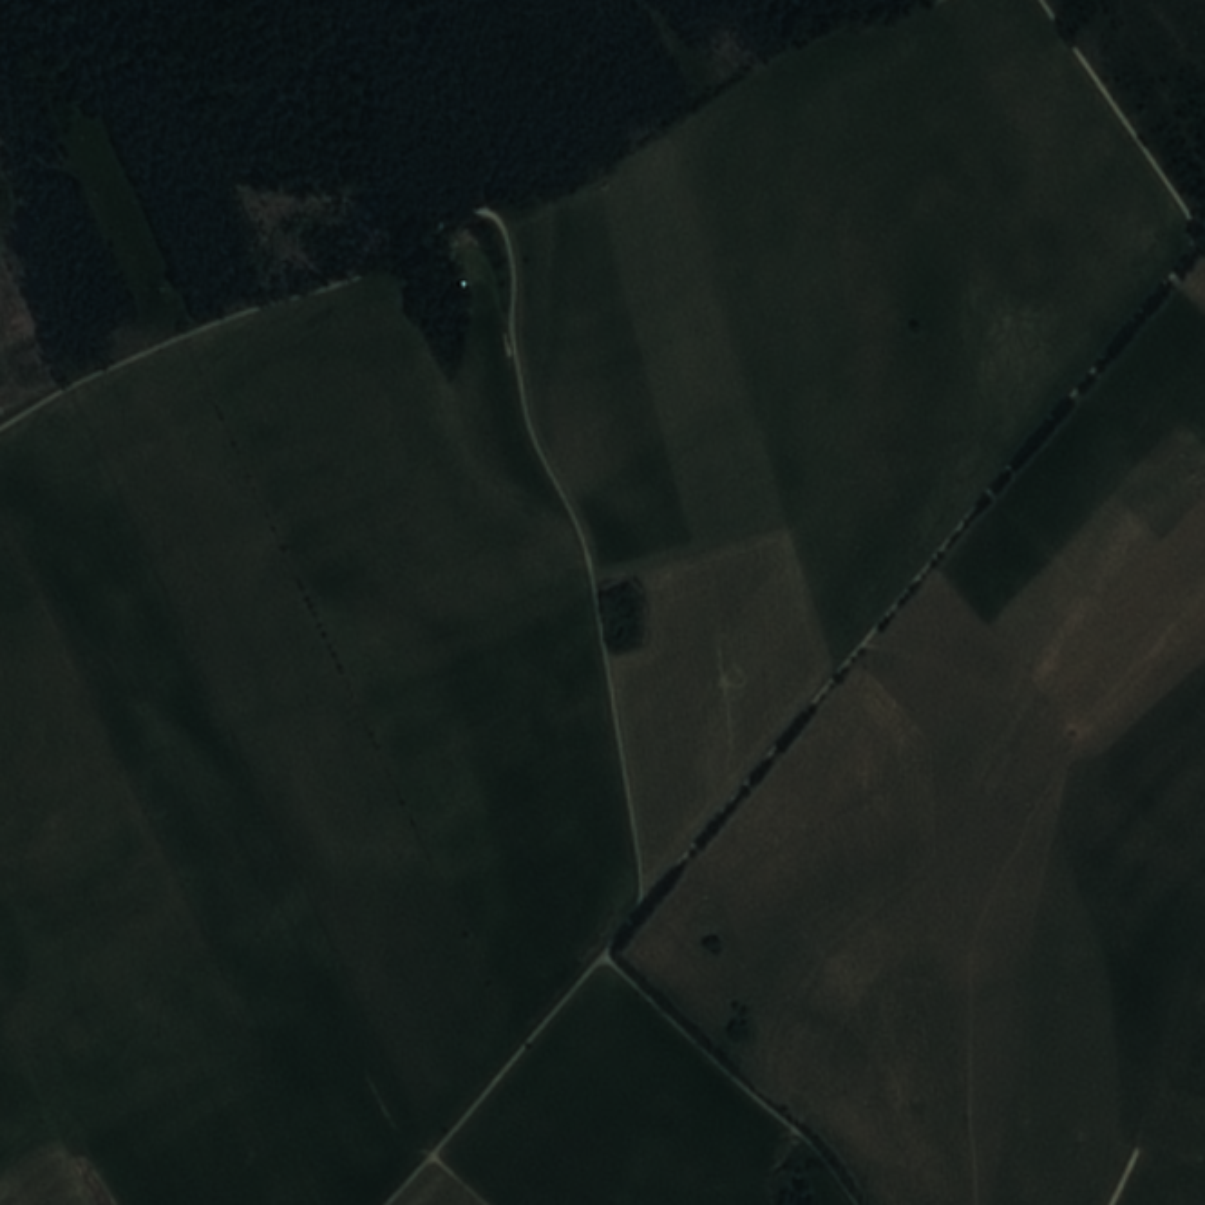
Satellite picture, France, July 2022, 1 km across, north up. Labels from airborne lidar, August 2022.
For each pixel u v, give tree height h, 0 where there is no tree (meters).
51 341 28
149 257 0
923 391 0
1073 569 0
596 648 0
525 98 22
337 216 7
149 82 27
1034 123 0
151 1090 0
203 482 0
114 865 0
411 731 0
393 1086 0
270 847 0
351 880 0
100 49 23
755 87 0
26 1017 0
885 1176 0
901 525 0
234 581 0
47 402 0
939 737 0
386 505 0
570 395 0
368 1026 0
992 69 0
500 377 0
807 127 0
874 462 0
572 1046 0
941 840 0
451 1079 0
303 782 0
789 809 0
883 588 0
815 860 0
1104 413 0
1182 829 0
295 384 0
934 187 0
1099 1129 0
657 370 0
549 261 0
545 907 0
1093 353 0
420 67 21
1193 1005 0
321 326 0
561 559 0
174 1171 0
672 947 0
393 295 0
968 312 0
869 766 0
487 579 0
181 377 0
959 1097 0
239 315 0
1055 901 0
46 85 13
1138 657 0
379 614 0
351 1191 0
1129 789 0
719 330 0
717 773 0
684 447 0
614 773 0
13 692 0
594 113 24
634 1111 0
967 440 0
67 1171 0
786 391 0
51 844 0
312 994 0
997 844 0
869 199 0
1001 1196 0
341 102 29
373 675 0
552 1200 0
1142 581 0
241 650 0
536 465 0
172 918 0
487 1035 0
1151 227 0
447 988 0
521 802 0
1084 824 0
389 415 0
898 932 0
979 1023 0
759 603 0
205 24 23
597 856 0
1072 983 0
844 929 0
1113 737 0
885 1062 0
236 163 18
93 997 0
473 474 0
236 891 0
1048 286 0
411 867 0
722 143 0
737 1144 0
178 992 0
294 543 0
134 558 0
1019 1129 0
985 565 0
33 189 12
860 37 0
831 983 0
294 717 0
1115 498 0
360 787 0
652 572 0
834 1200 0
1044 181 0
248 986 0
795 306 0
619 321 0
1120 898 0
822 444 0
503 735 0
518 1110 0
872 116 0
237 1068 0
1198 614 0
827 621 0
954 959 0
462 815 0
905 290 0
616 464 0
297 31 23
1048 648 0
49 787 0
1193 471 0
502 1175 0
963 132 0
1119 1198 0
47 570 0
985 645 0
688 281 0
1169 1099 0
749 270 0
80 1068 0
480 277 0
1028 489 0
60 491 0
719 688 0
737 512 0
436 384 0
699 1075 0
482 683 0
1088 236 0
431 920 0
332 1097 0
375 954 0
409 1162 0
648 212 0
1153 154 0
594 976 0
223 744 0
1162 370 0
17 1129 0
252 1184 0
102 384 0
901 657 0
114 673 0
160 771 0
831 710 0
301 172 26
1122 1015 0
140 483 0
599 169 7
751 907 0
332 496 0
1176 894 0
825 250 0
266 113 26
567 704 0
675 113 9
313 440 0
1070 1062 0
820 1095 0
